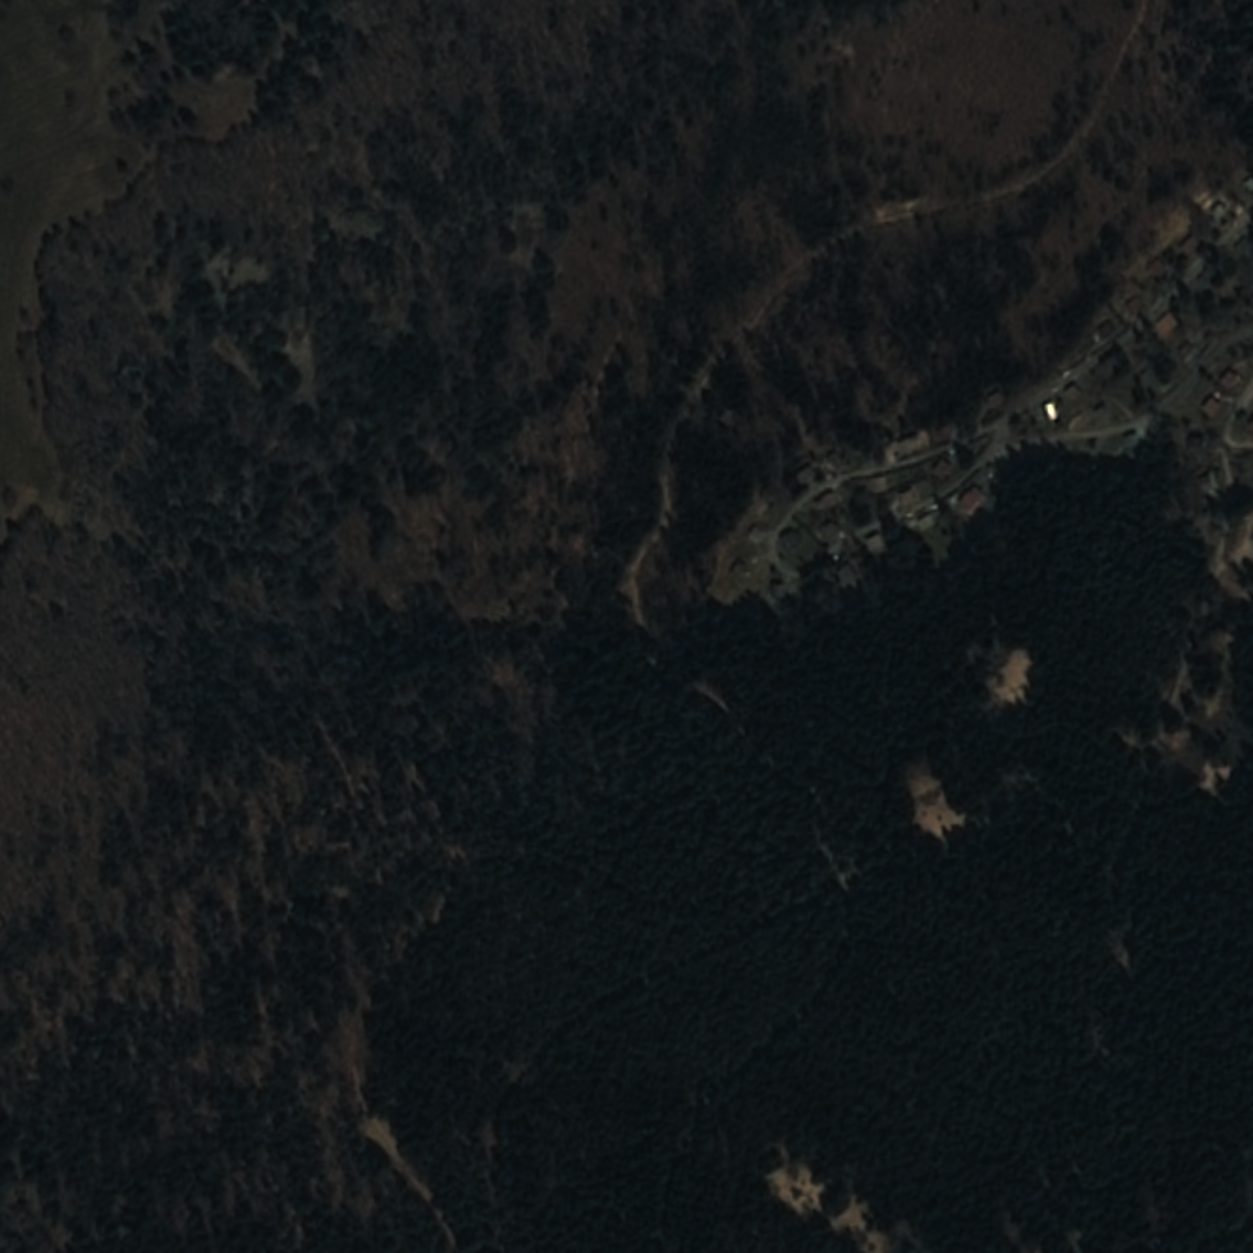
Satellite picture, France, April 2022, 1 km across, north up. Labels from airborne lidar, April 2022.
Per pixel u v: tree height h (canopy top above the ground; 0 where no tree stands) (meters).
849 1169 10
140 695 24
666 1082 21
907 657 24
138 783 20
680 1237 24
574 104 20
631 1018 21
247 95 0
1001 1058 27
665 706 27
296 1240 25
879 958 25
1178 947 25
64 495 0
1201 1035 27
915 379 11
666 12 22
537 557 11
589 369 11
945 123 10
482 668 22
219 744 19
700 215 16
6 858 21
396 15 14
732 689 25
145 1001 21
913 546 24
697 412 16
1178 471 16
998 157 13
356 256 16
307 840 21
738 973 22
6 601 11
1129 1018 24
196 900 20
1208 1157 25
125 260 16
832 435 21
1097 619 21
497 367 32
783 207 19
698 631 14
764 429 16
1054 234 13
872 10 20
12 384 0
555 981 23
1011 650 10
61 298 9
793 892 24
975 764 27
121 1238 26
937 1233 29
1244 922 23
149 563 28
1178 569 23
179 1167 25
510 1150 9
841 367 16
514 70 19
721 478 20
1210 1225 27
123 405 22
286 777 19
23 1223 27
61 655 21
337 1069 24
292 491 24
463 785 32
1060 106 13
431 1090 14
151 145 6
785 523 0
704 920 24
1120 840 20
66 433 8
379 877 15
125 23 10
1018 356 15
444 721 22
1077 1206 21
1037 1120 23
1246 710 17
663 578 16
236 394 28
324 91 21
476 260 29
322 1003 15
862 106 9
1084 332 15
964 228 14
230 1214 23
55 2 0
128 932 22
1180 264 8
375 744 22
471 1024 25
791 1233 23
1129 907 30
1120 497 25
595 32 23
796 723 22
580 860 23
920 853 19
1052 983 26
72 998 15
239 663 30
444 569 19
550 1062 20
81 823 15
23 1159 15
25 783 18
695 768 31
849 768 24
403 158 20
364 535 6
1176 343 6
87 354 10
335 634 19
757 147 17
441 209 19
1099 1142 23
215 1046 18
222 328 19
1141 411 7
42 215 0
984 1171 30
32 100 0
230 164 14
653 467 19
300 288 15
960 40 11
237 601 23
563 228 26
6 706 16
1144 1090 25
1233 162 17
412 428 17
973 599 25
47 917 16
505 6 18
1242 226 0
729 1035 22
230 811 17
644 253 15
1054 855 21
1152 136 15
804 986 23
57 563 17
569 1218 28
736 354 22
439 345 24
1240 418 8
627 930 20
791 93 15
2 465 0
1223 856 24
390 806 17
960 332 15
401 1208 17
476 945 20
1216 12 17
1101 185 13
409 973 23
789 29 15
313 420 29
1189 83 13
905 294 18
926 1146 19
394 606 6
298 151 12
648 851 22
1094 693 17
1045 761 28
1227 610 17
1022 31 13
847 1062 23
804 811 21
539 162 24
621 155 26
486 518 9
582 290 12
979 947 26
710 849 29
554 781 26
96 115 0
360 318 21
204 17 11
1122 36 11
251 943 13
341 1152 17
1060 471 22
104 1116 25
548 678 31
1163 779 22
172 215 21
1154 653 21
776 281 13
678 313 18
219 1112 19
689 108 17
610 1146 25
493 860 27
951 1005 27
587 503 8
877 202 10
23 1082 21
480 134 20
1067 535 28
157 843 24
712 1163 25
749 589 0
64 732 18
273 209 16
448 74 17
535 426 7
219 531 18
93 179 0
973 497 0
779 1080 26
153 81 12
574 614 8
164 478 23
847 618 27
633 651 24
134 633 24
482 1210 25
